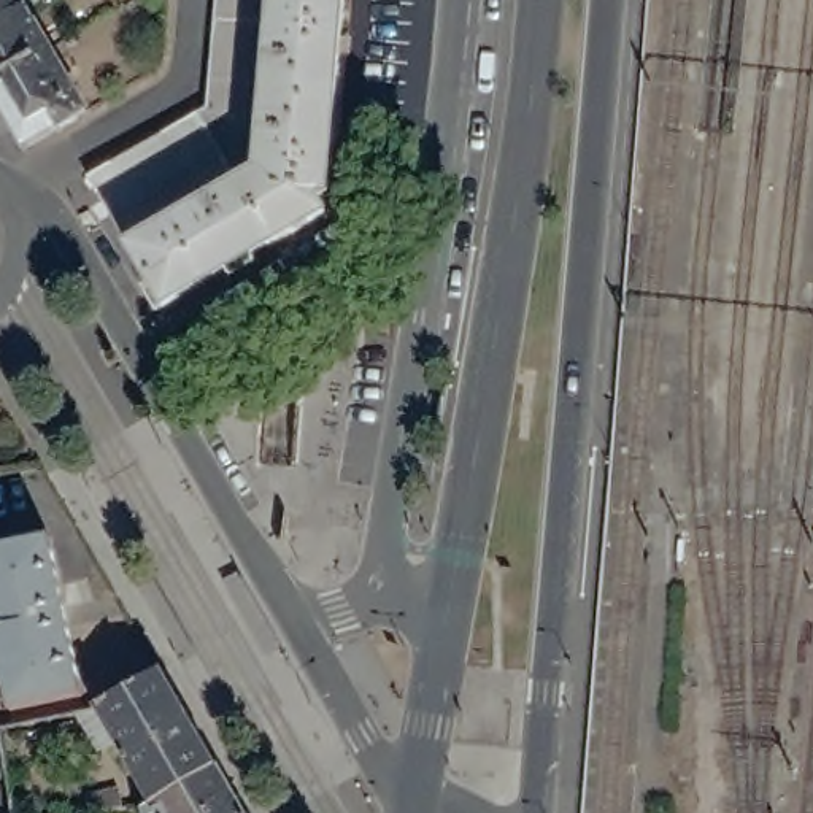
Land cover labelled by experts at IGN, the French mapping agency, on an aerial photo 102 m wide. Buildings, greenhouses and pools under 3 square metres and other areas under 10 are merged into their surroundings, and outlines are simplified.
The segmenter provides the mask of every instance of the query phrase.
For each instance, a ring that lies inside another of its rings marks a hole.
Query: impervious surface
[[[118,219],[111,216],[102,187],[86,187],[86,171],[203,105],[213,0],[178,0],[171,67],[162,83],[133,95],[127,105],[108,111],[105,118],[86,124],[64,137],[51,133],[38,143],[16,143],[13,130],[0,114],[0,403],[19,426],[25,451],[38,454],[35,464],[0,464],[0,537],[41,530],[54,543],[54,584],[60,594],[67,638],[76,645],[76,664],[86,686],[98,692],[118,686],[130,673],[152,667],[162,657],[181,695],[187,699],[197,727],[203,727],[203,734],[210,737],[225,775],[238,791],[241,775],[251,775],[254,769],[276,759],[279,772],[295,781],[289,784],[289,800],[276,807],[276,813],[581,813],[588,699],[600,689],[600,619],[610,607],[610,530],[613,518],[629,511],[629,505],[613,505],[613,467],[616,457],[629,454],[629,448],[616,448],[616,422],[622,413],[616,381],[622,378],[622,283],[613,279],[616,251],[622,238],[619,203],[629,191],[626,159],[632,156],[626,146],[626,133],[629,121],[635,118],[629,92],[635,70],[632,38],[642,32],[635,22],[638,0],[591,0],[581,105],[537,651],[524,661],[521,670],[505,667],[502,565],[483,553],[483,543],[495,495],[502,435],[508,432],[518,438],[530,438],[534,422],[537,372],[524,368],[521,375],[514,375],[514,359],[524,321],[537,222],[549,213],[537,203],[537,187],[543,187],[553,98],[568,95],[572,86],[559,79],[556,70],[562,0],[349,0],[349,19],[343,25],[343,35],[349,35],[349,54],[343,54],[340,60],[340,83],[333,95],[327,178],[337,181],[340,149],[349,143],[353,118],[365,105],[381,105],[391,114],[397,114],[400,127],[422,130],[419,162],[426,165],[426,171],[441,171],[445,165],[451,175],[464,178],[467,216],[457,222],[454,245],[448,248],[448,254],[429,264],[429,289],[422,295],[416,327],[403,333],[381,333],[375,343],[365,343],[359,349],[356,362],[343,359],[333,368],[321,372],[318,387],[311,394],[302,394],[299,407],[289,403],[283,419],[273,410],[260,413],[251,422],[222,416],[216,422],[219,435],[206,441],[171,435],[171,426],[162,416],[140,419],[133,403],[146,400],[143,391],[159,375],[156,346],[194,327],[210,302],[222,299],[238,283],[257,286],[270,270],[292,273],[295,267],[311,267],[324,260],[327,229],[337,222],[324,213],[314,222],[302,225],[295,235],[257,248],[251,260],[238,257],[229,264],[229,270],[203,276],[165,308],[152,308],[143,299],[140,273],[133,270],[130,254],[124,254],[121,248],[127,229],[118,225]],[[79,333],[64,333],[57,324],[48,321],[51,314],[44,305],[44,289],[54,289],[54,283],[67,273],[98,283],[105,299],[98,324]],[[422,368],[429,359],[448,353],[451,384],[445,391],[429,391]],[[48,422],[35,422],[6,381],[29,365],[48,365],[54,378],[51,384],[64,394],[60,413]],[[416,457],[413,451],[407,451],[407,432],[413,432],[416,422],[435,413],[445,426],[448,445],[438,457]],[[67,426],[86,429],[95,467],[83,467],[73,473],[54,460],[48,435],[60,435],[60,429]],[[400,502],[400,489],[419,470],[426,470],[432,486],[429,505],[426,511],[407,511]],[[118,559],[118,546],[127,546],[133,540],[143,540],[146,553],[159,559],[152,588],[133,584]],[[464,645],[480,568],[492,581],[492,667],[464,670]],[[222,743],[216,721],[222,715],[241,711],[267,737],[257,740],[257,749],[245,756],[229,756],[229,746]]]
[[[86,730],[86,737],[95,749],[108,746],[111,740],[102,718],[89,708],[76,711],[76,721]]]

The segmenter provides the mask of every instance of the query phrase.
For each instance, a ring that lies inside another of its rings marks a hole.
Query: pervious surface
[[[626,159],[629,191],[619,203],[622,238],[616,251],[613,279],[622,283],[622,378],[616,381],[622,413],[616,422],[616,448],[629,448],[629,454],[616,457],[613,467],[613,505],[629,505],[629,511],[613,518],[610,530],[610,607],[600,619],[600,689],[588,699],[581,813],[645,813],[645,791],[654,788],[670,791],[676,813],[813,813],[813,0],[638,0],[635,22],[642,32],[632,38],[635,70],[629,92],[635,118],[629,121],[626,133],[626,146],[632,156]],[[664,651],[664,594],[670,578],[683,578],[686,584],[683,686],[680,727],[661,730],[657,686]]]
[[[572,86],[568,95],[581,105],[591,0],[562,0],[556,70],[559,79]]]

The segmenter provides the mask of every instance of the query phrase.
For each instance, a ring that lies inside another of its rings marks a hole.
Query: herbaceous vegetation
[[[480,568],[464,645],[464,670],[492,667],[492,581]]]
[[[89,6],[86,16],[70,13],[57,22],[60,35],[70,38],[67,44],[60,44],[76,89],[76,111],[86,124],[105,118],[108,111],[95,98],[95,86],[105,86],[118,70],[108,60],[118,51],[118,41],[149,25],[149,10],[143,10],[143,0],[98,0]]]
[[[581,105],[568,95],[553,98],[543,187],[537,187],[537,203],[549,213],[537,222],[524,321],[514,359],[514,375],[521,375],[524,368],[537,372],[534,422],[530,438],[518,438],[508,432],[502,435],[495,495],[483,543],[483,553],[502,565],[505,667],[521,670],[524,661],[537,651]]]
[[[102,807],[98,794],[111,788],[118,788],[118,794],[127,797],[127,803],[143,800],[140,791],[127,791],[127,759],[111,740],[108,746],[95,749],[95,769],[89,775],[92,784],[76,791],[73,784],[44,778],[41,765],[32,765],[25,788],[73,794],[73,807]]]
[[[76,740],[86,737],[86,730],[76,721],[76,711],[89,708],[98,692],[86,686],[73,699],[57,699],[29,708],[0,708],[0,759],[6,762],[10,756],[25,756],[32,734],[73,734]]]
[[[162,83],[171,67],[178,0],[168,0],[162,60],[149,76],[127,86],[133,95]]]

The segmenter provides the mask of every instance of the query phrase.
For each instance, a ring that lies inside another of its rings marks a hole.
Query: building
[[[48,35],[41,13],[32,0],[0,0],[0,114],[13,130],[16,143],[38,143],[51,133],[64,137],[86,124],[76,111],[76,89],[60,44]]]
[[[86,686],[76,664],[76,645],[67,638],[60,594],[54,584],[54,543],[41,530],[0,537],[0,708],[29,708],[57,699],[73,699]]]
[[[203,105],[86,171],[86,187],[102,187],[111,216],[118,219],[118,225],[127,229],[121,248],[124,254],[130,254],[133,270],[140,273],[143,299],[152,308],[165,308],[203,276],[229,270],[229,264],[238,257],[251,260],[257,248],[295,235],[302,225],[314,222],[324,213],[327,178],[333,95],[340,83],[340,60],[343,54],[349,54],[349,35],[343,35],[343,25],[349,19],[349,0],[213,0]]]
[[[98,794],[102,807],[124,807],[124,813],[251,813],[238,791],[225,775],[210,737],[203,734],[203,727],[197,727],[187,699],[181,695],[162,657],[152,667],[130,673],[118,686],[98,692],[89,708],[102,718],[111,740],[127,759],[127,791],[140,791],[143,800],[127,803],[127,797],[118,794],[118,788],[111,788]]]

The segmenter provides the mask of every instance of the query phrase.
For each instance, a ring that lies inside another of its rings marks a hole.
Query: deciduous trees
[[[95,98],[108,111],[127,105],[133,95],[127,86],[149,76],[162,60],[168,0],[143,0],[143,10],[149,10],[149,25],[118,41],[118,51],[108,60],[118,70],[105,86],[95,86]]]
[[[349,143],[340,149],[337,181],[327,178],[324,213],[337,222],[327,229],[324,260],[311,267],[295,267],[292,273],[270,270],[257,286],[238,283],[222,299],[210,302],[194,327],[156,346],[159,375],[143,391],[146,400],[133,403],[140,419],[162,416],[171,426],[171,435],[206,441],[219,435],[216,422],[222,416],[251,422],[260,413],[273,410],[283,419],[289,403],[299,407],[302,394],[311,394],[318,387],[321,372],[333,368],[343,359],[356,362],[359,349],[365,343],[375,343],[381,333],[403,333],[416,327],[422,295],[429,289],[429,264],[448,254],[448,248],[454,245],[457,222],[467,216],[464,178],[451,175],[445,165],[441,171],[426,171],[426,165],[419,162],[422,130],[400,127],[397,114],[391,114],[381,105],[365,105],[353,118]]]
[[[422,368],[429,391],[445,391],[451,384],[448,353],[429,359]]]
[[[407,451],[413,451],[416,457],[438,457],[448,445],[445,426],[435,413],[416,422],[413,432],[407,432]]]
[[[98,324],[105,299],[98,283],[67,273],[54,283],[54,289],[44,289],[44,305],[51,314],[48,321],[57,324],[64,333],[79,333]]]
[[[432,486],[426,470],[419,470],[400,489],[400,502],[407,511],[426,511],[429,505]]]
[[[86,429],[67,426],[60,429],[60,435],[48,435],[54,460],[73,473],[83,467],[95,467]]]
[[[216,721],[222,743],[229,746],[229,756],[245,756],[257,749],[257,740],[267,737],[241,711],[222,715]]]
[[[60,413],[64,394],[51,384],[54,378],[48,365],[29,365],[6,381],[35,422],[48,422]]]
[[[133,584],[152,588],[159,559],[146,553],[143,540],[133,540],[127,546],[118,546],[118,559]]]
[[[289,800],[289,784],[295,781],[279,772],[276,759],[254,769],[251,775],[241,775],[238,791],[251,813],[276,813],[276,807]]]
[[[73,794],[25,788],[32,765],[41,765],[44,778],[73,784],[76,791],[92,784],[89,775],[95,769],[95,749],[86,737],[76,740],[73,734],[32,734],[25,756],[10,756],[6,762],[0,759],[0,813],[124,813],[124,807],[102,807],[73,807]]]

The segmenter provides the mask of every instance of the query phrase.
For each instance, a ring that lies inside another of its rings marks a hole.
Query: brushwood
[[[686,584],[683,578],[670,578],[664,594],[664,651],[657,686],[661,730],[680,727],[683,686]]]
[[[19,426],[0,403],[0,464],[35,464],[38,454],[25,451]]]
[[[645,813],[676,813],[670,791],[654,788],[645,791]]]
[[[70,38],[60,35],[57,22],[70,13],[86,16],[89,6],[98,0],[32,0],[41,13],[48,35],[60,44],[67,44]]]

